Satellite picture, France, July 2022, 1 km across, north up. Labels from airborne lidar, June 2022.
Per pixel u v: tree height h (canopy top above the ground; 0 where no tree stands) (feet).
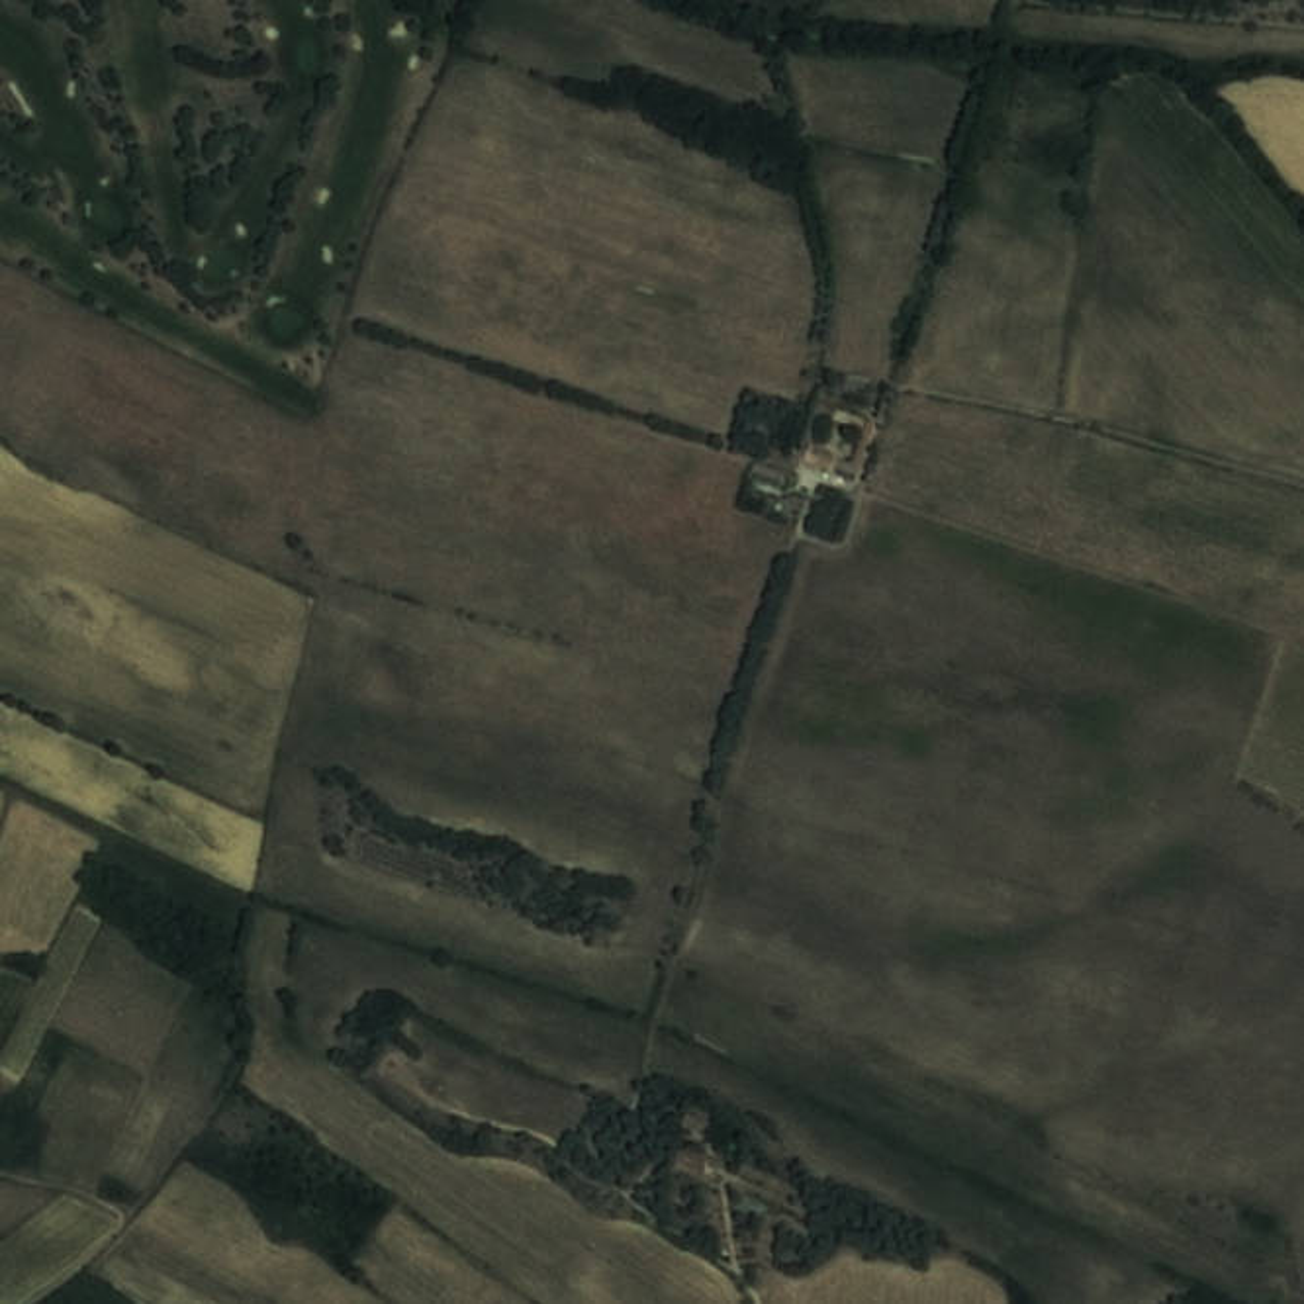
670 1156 45
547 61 0
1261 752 0
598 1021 0
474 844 28
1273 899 0
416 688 0
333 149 0
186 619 0
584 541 0
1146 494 0
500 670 0
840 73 0
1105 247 0
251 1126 25
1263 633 0
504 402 0
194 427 0
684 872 0
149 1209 0
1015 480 0
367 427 0
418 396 0
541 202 0
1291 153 0
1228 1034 0
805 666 0
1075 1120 0
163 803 0
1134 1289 0
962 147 61
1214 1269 0
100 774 0
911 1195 0
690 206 0
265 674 0
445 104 0
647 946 0
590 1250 0
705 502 0
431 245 0
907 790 0
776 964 0
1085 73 56
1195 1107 0
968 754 0
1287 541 0
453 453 0
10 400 0
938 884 0
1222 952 0
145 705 0
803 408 25
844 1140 0
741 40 78
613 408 34
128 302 0
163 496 0
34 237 0
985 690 0
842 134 0
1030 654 0
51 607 0
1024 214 0
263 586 0
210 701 0
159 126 0
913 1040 0
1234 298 0
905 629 0
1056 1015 0
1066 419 0
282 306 0
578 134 0
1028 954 0
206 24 0
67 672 0
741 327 0
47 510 0
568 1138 44
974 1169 0
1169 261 0
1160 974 0
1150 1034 0
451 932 0
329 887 0
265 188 0
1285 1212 0
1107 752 0
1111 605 0
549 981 0
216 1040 0
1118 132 0
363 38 0
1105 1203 0
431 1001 0
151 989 0
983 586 0
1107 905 0
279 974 0
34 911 0
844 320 0
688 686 0
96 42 21
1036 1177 0
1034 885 0
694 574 0
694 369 0
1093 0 27
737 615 0
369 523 0
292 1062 0
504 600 0
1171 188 0
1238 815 0
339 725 0
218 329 0
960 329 0
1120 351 0
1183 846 0
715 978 0
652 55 0
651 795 0
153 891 40
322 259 0
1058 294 0
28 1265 0
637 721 0
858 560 0
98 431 0
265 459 0
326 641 0
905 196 0
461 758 0
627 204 0
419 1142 0
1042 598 0
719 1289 0
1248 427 0
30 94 0
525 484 0
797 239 0
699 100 45
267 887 0
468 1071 0
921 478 0
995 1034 0
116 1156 0
